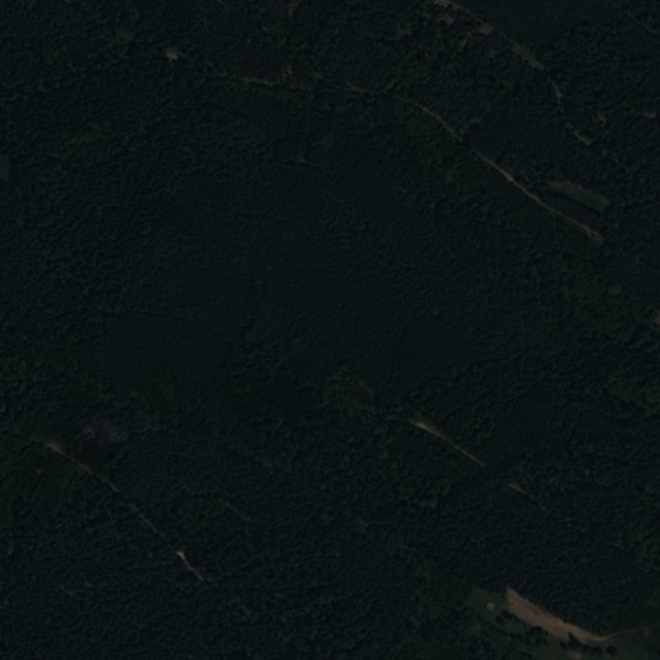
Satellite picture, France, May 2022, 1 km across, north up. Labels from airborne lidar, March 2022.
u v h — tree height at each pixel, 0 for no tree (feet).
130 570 79
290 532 86
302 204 39
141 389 56
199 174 61
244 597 98
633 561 55
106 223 105
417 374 52
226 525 51
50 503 39
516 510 105
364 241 55
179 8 73
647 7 53
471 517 89
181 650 98
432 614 0
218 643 101
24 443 30
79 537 87
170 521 114
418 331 60
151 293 51
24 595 99
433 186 66
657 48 39
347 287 53
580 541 101
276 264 59
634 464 23
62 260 100
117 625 101
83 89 109
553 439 24
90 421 70
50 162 88
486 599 0
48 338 60
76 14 92
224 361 68
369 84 105
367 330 59
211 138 112
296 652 105
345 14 89
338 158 63
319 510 108
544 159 62
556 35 37
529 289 53
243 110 37
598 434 28
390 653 32
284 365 37
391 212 56
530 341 73
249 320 51
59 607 82
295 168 61
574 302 69
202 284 50
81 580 108
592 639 0
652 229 46
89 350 44
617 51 31
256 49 51
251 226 76
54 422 53
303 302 52
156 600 108
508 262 74
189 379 54
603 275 99
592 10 43
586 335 69
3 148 86
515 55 34
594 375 65
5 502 26
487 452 26
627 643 0
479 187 33
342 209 33
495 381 58
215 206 74
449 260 47
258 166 48
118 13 56
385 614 110
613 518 98
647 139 67
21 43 68
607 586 56
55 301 67
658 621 0
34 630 94
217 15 64
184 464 77
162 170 98
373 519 116
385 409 54
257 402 57
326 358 59
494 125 60
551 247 52
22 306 93
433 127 51
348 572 96
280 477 92
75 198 94
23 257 82
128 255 98
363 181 60
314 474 115
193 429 86
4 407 55
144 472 95
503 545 100
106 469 30
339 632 101
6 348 57
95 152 101
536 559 99
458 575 85
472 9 34
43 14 96
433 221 56
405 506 110
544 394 58
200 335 43
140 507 86
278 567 103
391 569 115
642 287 105
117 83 96
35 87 89
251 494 83
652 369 85
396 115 78
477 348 65
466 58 52
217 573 108
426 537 114
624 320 83
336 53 94
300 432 46
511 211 43
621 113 43
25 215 46
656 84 48
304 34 44
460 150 69
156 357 56
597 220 76
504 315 71
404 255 41
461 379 63
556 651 0
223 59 56
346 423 73
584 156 85
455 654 20
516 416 30
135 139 102
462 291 64
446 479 46
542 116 69
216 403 64
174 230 56
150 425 73
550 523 102
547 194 109
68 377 72
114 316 54
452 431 48
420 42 93
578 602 107
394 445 25
